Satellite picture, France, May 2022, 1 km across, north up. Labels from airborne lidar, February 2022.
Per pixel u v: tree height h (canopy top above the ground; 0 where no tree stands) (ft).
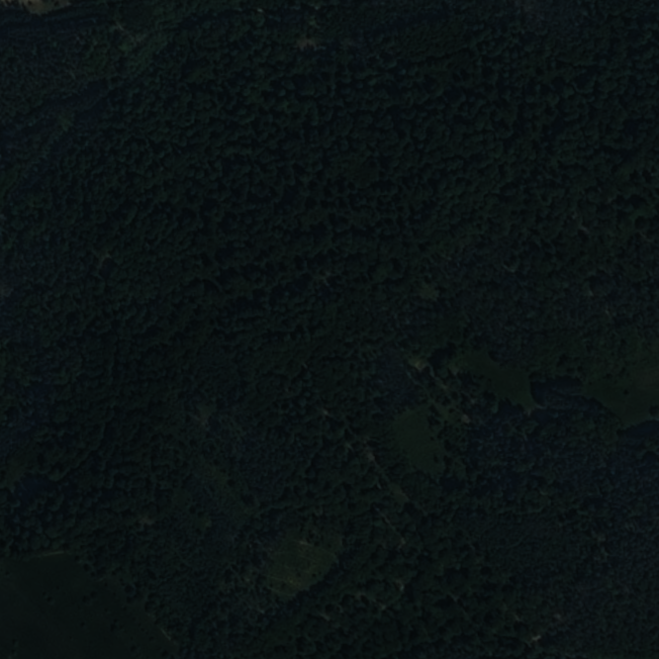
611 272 25
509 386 0
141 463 43
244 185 113
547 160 119
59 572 0
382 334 91
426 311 89
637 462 105
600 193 102
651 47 107
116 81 76
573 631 103
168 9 54
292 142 121
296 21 84
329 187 116
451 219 108
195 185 110
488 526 52
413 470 70
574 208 94
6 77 78
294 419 88
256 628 31
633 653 94
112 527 68
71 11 51
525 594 92
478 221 93
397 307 95
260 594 91
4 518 30
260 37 109
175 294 115
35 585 0
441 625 107
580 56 81
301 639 97
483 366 0
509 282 116
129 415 109
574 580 98
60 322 91
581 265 79
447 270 103
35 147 88
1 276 98
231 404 100
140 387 102
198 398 79
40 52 119
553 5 63
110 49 79
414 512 82
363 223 31
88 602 35
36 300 97
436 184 115
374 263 108
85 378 94
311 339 66
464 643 132
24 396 113
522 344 119
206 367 37
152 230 93
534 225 96
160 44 66
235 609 33
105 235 94
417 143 103
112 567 30
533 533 45
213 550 41
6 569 0
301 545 0
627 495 118
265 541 97
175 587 31
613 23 68
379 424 87
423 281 71
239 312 104
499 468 21
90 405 106
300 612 83
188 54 72
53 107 119
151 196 106
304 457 84
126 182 108
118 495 127
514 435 20
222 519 55
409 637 107
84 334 94
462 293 89
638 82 122
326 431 107
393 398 95
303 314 105
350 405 86
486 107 116
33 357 81
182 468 29
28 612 0
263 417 72
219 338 78
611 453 94
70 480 48
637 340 118
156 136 115
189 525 21
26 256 109
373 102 111
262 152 128
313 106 105
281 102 124
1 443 106
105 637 0
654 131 113
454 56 66
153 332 105
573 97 128
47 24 43
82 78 77
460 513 42
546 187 102
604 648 82
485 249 84
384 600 88
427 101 104
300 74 48
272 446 73
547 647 69
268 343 117
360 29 43
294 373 48
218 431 85
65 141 117
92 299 83
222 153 121
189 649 61
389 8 28
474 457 27
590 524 29
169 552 30
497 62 104
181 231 112
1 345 72
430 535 99
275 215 120
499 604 101
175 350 67
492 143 104
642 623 98
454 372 0
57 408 123
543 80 38
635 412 0
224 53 26
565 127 116
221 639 83
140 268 70
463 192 111
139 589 45
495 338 102
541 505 82
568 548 48
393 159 106
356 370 113
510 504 77
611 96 118
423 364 0
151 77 94
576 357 107
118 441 115
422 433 0
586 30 89
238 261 112
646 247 87
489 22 62
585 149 121
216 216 109
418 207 24
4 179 103
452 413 22
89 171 113
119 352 97
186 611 29
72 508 114
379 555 61
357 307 81
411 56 58
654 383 0
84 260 85
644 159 101
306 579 0
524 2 76
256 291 33
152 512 93
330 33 34
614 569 87
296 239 107
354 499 71
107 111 133
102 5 55
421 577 97
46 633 0
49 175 108
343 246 104
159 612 34
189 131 111
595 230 97
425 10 36
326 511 75
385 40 100
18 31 121
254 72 114
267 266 29
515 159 104
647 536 100
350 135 113
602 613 78
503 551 50
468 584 86
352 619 104
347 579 85
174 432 0
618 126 117
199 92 113
